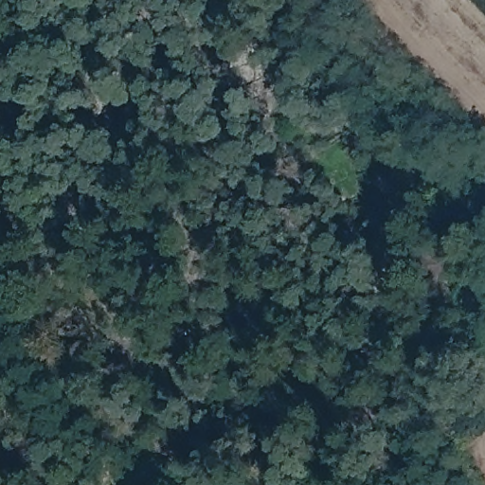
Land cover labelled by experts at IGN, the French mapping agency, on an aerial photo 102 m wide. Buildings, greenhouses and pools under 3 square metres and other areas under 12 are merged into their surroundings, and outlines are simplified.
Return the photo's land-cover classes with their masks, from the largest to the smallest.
<instances>
[{"label":"deciduous trees","instance_id":"1","mask_svg":"<svg viewBox=\"0 0 485 485\"><path fill-rule=\"evenodd\" d=\"M227 15L210 17L205 11L207 0H0V40L9 36V28H17L19 25L27 32V40L17 45L13 53H8V64L0 68V100L23 106V114L17 117L15 131L0 138V197L11 210V231L6 233V242L0 244V430L6 432L2 447L11 449L13 445L23 443L28 449L30 460L27 468H21L17 472L0 470V485H116L129 470L135 468L136 457L142 451L159 449V440L167 438L169 428H184L189 422H201L205 415L212 413L216 417H224L225 400L229 398H233L237 405L260 404L263 400L260 388L273 385L277 377L282 375V371L292 373L301 383H309L318 388L335 405L364 407L381 402L386 404L385 411L373 415L371 421L366 424L354 426L350 434H345L343 424L333 426L332 434L326 436V443L320 447V462L328 464L332 472L328 481H316L313 474L305 468V464L311 460L313 449L311 445H305V438H313L316 417L313 407L301 404L288 411L290 419L277 426V430L261 443V451L269 460L267 472L258 470V466L242 464V455L252 449V443L256 438L254 432L246 430L235 436L225 434L224 438H220L214 445L203 443L199 451H189L188 460L184 464L172 460L161 468L163 472L155 479V485H485V474L476 464L474 443L476 438L485 432V207L481 208L479 216H474L472 222L451 225L447 235H436L434 231H430L428 212L430 208L449 205L460 195H468L470 203L481 201L485 205V127L474 129V125L470 123L472 110H466L458 97H453L451 87L447 83H443L441 87H434V70L430 66H424L421 57L411 55L407 45L400 40V36L386 27L366 0H227ZM38 25H57L64 32L63 40L51 42L40 36L36 30ZM252 38L275 40L277 47L254 49L248 55L250 66H261L265 70L277 57L282 45L290 51L288 61L280 66L282 78L269 87L277 100L275 112L271 116H265L256 100L244 99L242 89L227 91L224 95L227 102L224 116L227 119V131L229 135H233L231 140L216 148L207 159L191 157L189 152L195 142H207L210 138L220 135V125L214 117L216 110L210 108L216 83L210 80L208 70H203L195 61L191 47L210 45L216 49V55L222 61L235 63L242 49L246 45H252ZM89 40L99 45L97 51L108 59V63L95 72V80L89 74H85L81 78L85 83V89L74 91L72 78L76 70L81 68V45L87 44ZM161 44L167 45V55L171 63L163 68H157L152 64V55L155 45ZM123 59H127L135 66H142L138 78L133 83L121 80ZM95 99L102 100L104 106H121L125 102H135L138 106V117L129 119L125 123V129L133 136L136 146L142 144L144 138L152 131L157 138L167 140L165 146H153L146 152L142 161H136L135 169L131 171L133 186L125 193H114L112 189L91 184L97 178V174L104 171V159L108 163H125L127 159L123 140L108 144V131H91L76 121V108L97 106ZM44 114H57L61 119L57 125H51L49 135L36 136L34 123L40 121ZM343 127H349L356 135L354 150L339 148V131ZM280 142H292L297 150H301L305 155V159L314 161L307 174H297L296 180L297 184L305 186L309 193L318 197L311 205L280 208L284 195L292 193V188L280 180L261 178L263 169L258 161H254V155L273 152ZM371 161H381L383 165H388L392 169L407 171V178L411 184L409 191H405L404 197L398 201V207L390 210L388 222L385 224L386 248L392 254L390 269H383L388 275V294L379 297H354L352 301L362 307V314L358 316L350 313L345 320H335L332 316L333 309L341 303V299L335 297V290L343 286L347 290L354 288L358 292H364L369 290L373 278L371 258L366 254V241L358 239L350 244L337 241V227L332 220L335 214L356 216V197L360 193V180L366 176ZM72 184L78 186L80 193L95 197L99 216L91 222L78 220L66 224L63 237L64 241L68 242V252L61 254L59 250L45 246L44 222L53 216L55 197L63 195ZM182 201H186V203H188V214H184L186 222H184V224H176L169 210H171L172 207H176V205H180ZM216 220H222L225 225L216 229V235L208 242L207 250L197 254V261H201V265L195 267L199 280H208V288L203 292H197L195 301L189 303L188 299L182 297L189 284L182 273V265L186 263L189 252L193 250V246H189L188 233L201 224ZM135 229L150 231L155 237V246L159 254L174 256L180 263L169 265L165 275H153L148 280L142 305H155V311L144 314L131 311L116 314L104 311V320L100 324L102 332L108 337L99 343H87V349L81 352V362H89L91 366L102 364L104 352L112 345H116L117 333H121L131 337V343L125 347L131 358H136L144 364L165 366L169 362L167 345H171L172 328L182 322H197L201 328L218 324L222 320L224 309H227L225 288H233L237 299L241 301L258 299L263 307L265 320L273 324V328L265 333V339L252 349H233L229 332L214 333L201 339L199 343L189 345L188 350L178 358L176 368L171 369L174 385L184 392L180 400L165 394L159 386L153 385L150 381L136 379L135 375L127 373L112 386L102 385L99 375L70 373L66 379H61L55 362L63 356V328L53 318L44 320L40 316L45 313L47 299L64 297L66 303L93 301L95 297L106 296L110 288H123L129 294H133L142 271L140 256L146 254L142 242L133 241L131 237ZM434 256L443 265V271H447V284H443V292L453 301V307L441 309L438 316L440 328L449 330L445 354L426 350L421 352V356L413 364H405L404 339L419 332L422 320H426L428 316V284L424 280L426 271L422 269V258ZM377 307H383L388 311V318L394 322L390 341H371L368 337L369 316ZM354 349H360L368 354V368L358 369L347 360L349 350ZM385 449H390L398 455L413 449V457L405 464V468H400L394 476H381L379 483H375L373 477L368 476V470L371 468L368 460L369 451L381 453Z\"/></svg>","mask_w":485,"mask_h":485},{"label":"herbaceous vegetation","instance_id":"2","mask_svg":"<svg viewBox=\"0 0 485 485\"><path fill-rule=\"evenodd\" d=\"M227 0H207L205 11L210 17L227 15ZM27 40V32L19 25L17 28H9V36L0 40V68L8 64V53H13L17 45ZM36 30L40 36L51 42L63 40L64 32L57 25H38ZM277 47L275 40L252 38V45H246L242 49L235 63L222 61L216 55V49L210 45L191 47L195 61L203 70H208L210 80L216 83L210 108L216 110L214 117L220 125V135L210 138L207 142H195L189 152L191 157L207 159L216 148L231 140L233 135H229L227 131V119L224 116L227 102L224 95L227 91L242 89L244 99L256 100L265 116H271L275 112L277 100L269 87L282 78L280 66L288 61L290 51L282 45L277 57L265 70L261 66H250L248 55L254 49ZM99 45L89 40L87 44L81 45V68L76 70L72 78L74 91L85 89V83L81 78L85 74H89L95 80V72L108 63V59L97 51ZM171 63L167 55V45L161 44L155 45L152 55V64L157 68H163ZM142 66H135L127 59H123L121 80L133 83L138 78ZM97 106L76 108V121L91 131H108V144L123 140L127 159L125 163H108L104 159V171L97 174V178L91 184L112 189L114 193H125L133 186L131 171L135 169L136 161H142L146 152L153 146H165L167 140L157 138L152 131L144 138L142 144L136 146L133 136L125 129V123L129 119L138 117V106L135 102H125L121 106H104L102 100L95 99ZM23 114V106L0 100V138L15 131L17 117ZM61 119L57 114H44L40 121L34 123L36 136L49 135L51 125H57ZM356 135L349 127H343L339 131V148L354 150ZM254 161H258L263 169L261 178L280 180L292 188V193L284 195L280 208L311 205L318 197L309 193L305 186L297 184L296 180L297 174H307L314 161L305 159V155L301 150H297L292 142H280L273 152L254 155ZM411 184L407 178V171L392 169L388 165H383L381 161H371L366 176L360 180V193L356 197V216L335 214L332 220L337 227V241L350 244L358 239L366 241V254L371 258L373 278L369 290L364 292H358L354 288L347 290L343 286L335 290V297L341 299V303L333 309L332 316L335 320H345L350 313L358 316L362 314V307L352 301L354 297H379L388 294V275L383 269H390L392 254L386 248L385 224L388 222L390 210L398 207V201L404 197L405 191H409ZM99 216L95 197L80 193L78 186L72 184L63 195L55 197L53 216L44 222L45 246L59 250L61 254L68 252V242L64 241L63 237L66 224L78 220L91 222ZM485 207V205L481 201L470 203L468 195H460L449 205L430 208L428 212L430 231H434L436 235H447L451 225L472 222L474 216H479L481 208ZM11 210L0 197V244L6 242V233L11 231ZM176 224H184V222H186L184 214H188V203H186V201H182L180 205H176V207H172L171 210H169ZM225 225L222 220H216L201 224L188 233L189 246H193V250L189 252L186 263L182 265V273L189 284L182 297L188 299L189 303L195 301L197 292H203L208 288V280H199L195 267L201 265V261H197V254L207 250L208 242L216 235V229ZM131 237L133 241L142 242L146 254L140 256L142 271L133 294H129L123 288H110L106 296L95 297L93 301L66 303L64 297L47 299L45 313L40 316L44 320L53 318L63 328V356L55 362L61 379H66L70 373L99 375L102 385L112 386L127 373L135 375L136 379L150 381L153 385L159 386L165 394L180 400L184 392L174 385L171 369L176 368L178 358L188 350L189 345L199 343L201 339L214 333L229 332L233 349H252L265 339V333L273 328V324L265 320L263 307L258 299L241 301L237 299L233 288H225L227 309H224L222 320L218 324L201 328L197 322H182L172 328L171 345H167L169 362L165 366L144 364L136 358H131L125 347L131 343V337L121 333H117L116 345H112L104 352L102 364L91 366L89 362H81V352L87 349V343H99L108 337L102 332L100 324L104 320V311L116 314L131 311L144 314L155 311V305H142L148 280L153 275H165L169 265L180 263L174 256L159 254L155 246V237L150 231L135 229ZM422 269L426 271L424 280L428 284V316L426 320H422L419 332L404 339L405 364H413L421 356V352L426 350L445 354L449 330L440 328L438 316L441 309L453 307V301L443 292V284H447V271H443V265L434 256L422 258ZM388 311L383 307H377L369 316L368 337L371 341H390L394 322L388 318ZM347 360L358 369L368 368V354L360 349H354L349 350ZM263 400L260 404L237 405L233 398H229L225 400L224 417H216L212 413L205 415L201 422H189L184 428H169L167 438L159 440V449L142 451L136 457L135 468L129 470L116 485H155V479L163 472L161 468L172 460L184 464L188 460L189 451H199L203 443L214 445L220 438H224L225 434L235 436L246 430L254 432L256 438L252 443V449L242 455V464L258 466V470L267 472L269 460L261 451V443L277 430V426L290 419L288 411L301 404L313 407L316 417L313 438H305V445H311L313 449L311 460L305 464V468L313 474L316 481H328L332 472L328 464L320 462V447L326 443V436L332 434L333 426L343 424L345 434H350L354 426L366 424L371 421L373 415L385 411L386 404L381 402L364 407L335 405L318 388L309 383H301L292 373L282 371V375L277 377L273 385L260 388ZM6 432L0 430V470L17 472L21 468H27L30 460L28 449L23 443L13 445L11 449L2 447ZM413 457V449L398 455L390 449H385L381 453L369 451L368 460L371 468L368 470V476L373 477L375 483H379L381 476H394L400 468H405V464Z\"/></svg>","mask_w":485,"mask_h":485},{"label":"plowed land","instance_id":"3","mask_svg":"<svg viewBox=\"0 0 485 485\"><path fill-rule=\"evenodd\" d=\"M386 27L400 36V40L407 45L411 55L421 57L424 66H430L434 70V87H441L443 83H447L451 87L453 97H458L466 110H472L470 123L474 125V129L485 127V0H366ZM476 464L485 474V432L476 438L474 443Z\"/></svg>","mask_w":485,"mask_h":485}]
</instances>
